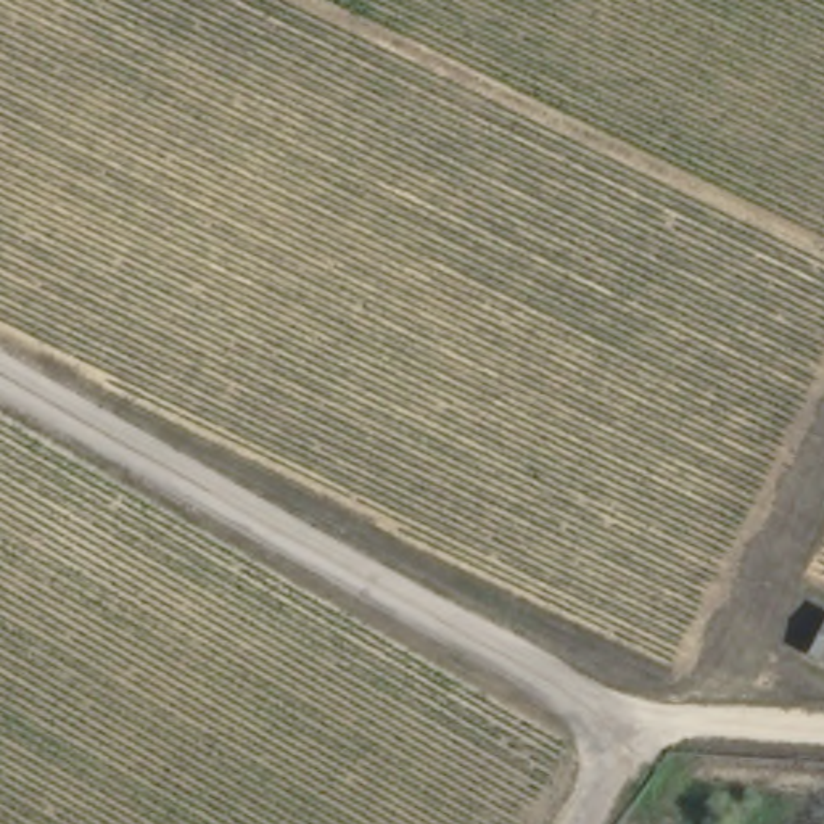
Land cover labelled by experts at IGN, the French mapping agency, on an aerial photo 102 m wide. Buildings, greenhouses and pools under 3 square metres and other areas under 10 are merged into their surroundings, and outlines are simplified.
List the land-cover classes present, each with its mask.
<instances>
[{"label":"vineyard","instance_id":"1","mask_svg":"<svg viewBox=\"0 0 824 824\"><path fill-rule=\"evenodd\" d=\"M0 335L68 364L80 377L100 383L106 393L138 409H148L209 444H219L315 496L344 505L354 515L370 518L377 528L389 531L406 547H415L447 567H457L515 599L531 602L541 612H550L592 634H602L660 666H673L676 673H689L695 666L705 624L711 621L715 608L727 602L747 541L773 515L776 483L782 470L792 464L801 438L824 418V0H0ZM579 779V753L570 721L560 711H554L541 695L496 670L492 663H483L480 657L447 641L431 637L428 631L377 605L373 599L348 592L328 576L309 570L306 563L261 544L258 538L238 531L235 525L203 509H193L190 502L132 473L126 464L109 460L90 444L0 399V824H557Z\"/></svg>","mask_w":824,"mask_h":824},{"label":"herbaceous vegetation","instance_id":"2","mask_svg":"<svg viewBox=\"0 0 824 824\"><path fill-rule=\"evenodd\" d=\"M0 351L42 370L45 377L97 402L100 409H109L122 422L161 438L174 451L200 460L203 467L238 483L241 489L274 502L277 509L296 515L315 531L418 583L422 589L538 644L541 650L567 663L573 673L605 689L641 698L708 708H801L818 711L824 718V657L811 650V641L824 634V418L801 438L792 464L782 470L776 483L773 515L747 541L727 602L715 608L711 621L705 624L695 666L689 673H676L673 666H660L602 634H592L550 612H541L531 602L515 599L457 567H447L415 547H406L389 531L377 528L370 518L354 515L344 505L315 496L219 444H209L148 409H138L106 393L100 383L80 377L68 364L0 335Z\"/></svg>","mask_w":824,"mask_h":824},{"label":"impervious surface","instance_id":"3","mask_svg":"<svg viewBox=\"0 0 824 824\"><path fill-rule=\"evenodd\" d=\"M0 399L90 444L109 460L126 464L132 473L190 502L193 509H203L235 525L238 531L258 538L261 544L306 563L309 570L328 576L348 592L373 599L377 605L428 631L431 637L447 641L480 657L483 663H492L496 670L541 695L554 711H560L570 721L579 753V779L557 824H605L621 789L631 779H637V773L647 763L631 740L637 727L631 715L641 698L605 689L573 673L567 663L541 650L538 644L422 589L418 583L315 531L296 515L277 509L274 502L241 489L238 483L203 467L200 460L174 451L161 438L122 422L109 409H100L97 402L45 377L42 370L0 351Z\"/></svg>","mask_w":824,"mask_h":824},{"label":"agricultural land","instance_id":"4","mask_svg":"<svg viewBox=\"0 0 824 824\"><path fill-rule=\"evenodd\" d=\"M695 782H705L711 798L731 795L734 801H744L740 782H766L769 789L789 792L795 801L792 818L785 824H824V740L773 744L740 737H689L663 747L637 773V779H631L621 789L605 824H682L679 795H686Z\"/></svg>","mask_w":824,"mask_h":824},{"label":"pervious surface","instance_id":"5","mask_svg":"<svg viewBox=\"0 0 824 824\"><path fill-rule=\"evenodd\" d=\"M637 727L631 740L647 763L663 747L689 737H740L773 744L824 740V718L818 711L801 708H708L641 698L631 715Z\"/></svg>","mask_w":824,"mask_h":824},{"label":"brushwood","instance_id":"6","mask_svg":"<svg viewBox=\"0 0 824 824\"><path fill-rule=\"evenodd\" d=\"M744 801H734L731 795L711 798L705 782H695L686 795H679L682 824H785L792 818L795 801L789 792L769 789L766 782H740Z\"/></svg>","mask_w":824,"mask_h":824},{"label":"building","instance_id":"7","mask_svg":"<svg viewBox=\"0 0 824 824\"><path fill-rule=\"evenodd\" d=\"M811 650L824 657V634L811 641Z\"/></svg>","mask_w":824,"mask_h":824}]
</instances>
